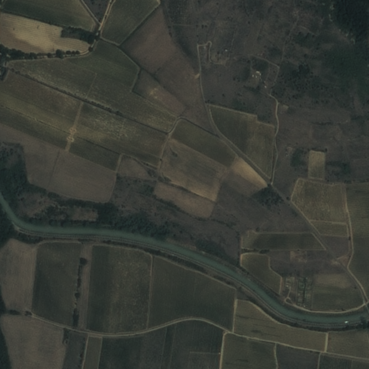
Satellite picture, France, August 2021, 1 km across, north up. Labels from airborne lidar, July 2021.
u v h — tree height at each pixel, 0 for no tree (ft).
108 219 29
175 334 0
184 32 0
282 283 0
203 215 0
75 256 0
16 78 0
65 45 0
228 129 0
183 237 0
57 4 0
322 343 0
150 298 0
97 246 0
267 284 0
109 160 0
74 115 0
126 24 0
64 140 0
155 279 0
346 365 0
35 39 0
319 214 0
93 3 40
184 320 0
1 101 0
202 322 0
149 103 0
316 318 0
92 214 0
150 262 0
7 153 34
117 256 0
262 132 0
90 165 0
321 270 0
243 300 0
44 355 0
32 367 0
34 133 0
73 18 0
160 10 0
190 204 0
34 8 0
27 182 32
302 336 0
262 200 21
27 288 0
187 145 0
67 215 25
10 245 0
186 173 0
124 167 0
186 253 0
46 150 0
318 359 0
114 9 0
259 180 0
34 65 0
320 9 25
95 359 0
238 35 0
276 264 0
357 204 0
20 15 0
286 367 0
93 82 0
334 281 0
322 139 0
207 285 0
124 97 0
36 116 0
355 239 0
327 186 0
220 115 0
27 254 0
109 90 0
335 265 0
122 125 0
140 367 0
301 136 0
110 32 0
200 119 0
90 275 0
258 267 0
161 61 0
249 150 0
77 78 0
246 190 0
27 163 0
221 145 0
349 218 0
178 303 0
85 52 0
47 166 0
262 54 0
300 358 0
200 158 0
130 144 0
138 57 0
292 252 0
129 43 0
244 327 0
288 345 0
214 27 0
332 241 0
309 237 0
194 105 0
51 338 0
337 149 0
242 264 0
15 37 0
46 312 0
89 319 0
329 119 0
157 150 0
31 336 0
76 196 0
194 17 0
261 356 0
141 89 0
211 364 0
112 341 0
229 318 0
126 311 0
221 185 0
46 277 0
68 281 0
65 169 0
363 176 0
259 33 0
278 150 0
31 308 0
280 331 0
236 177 0
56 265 0
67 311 0
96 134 0
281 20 0
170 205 28
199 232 0
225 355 0
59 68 0
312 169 0
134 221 33
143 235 74
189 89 0
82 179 0
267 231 0
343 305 0
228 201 0
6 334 0
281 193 0
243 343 0
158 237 68
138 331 0
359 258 0
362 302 0
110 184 0
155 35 0
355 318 0
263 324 0
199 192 0
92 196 0
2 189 57
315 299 0
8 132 0
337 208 0
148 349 0
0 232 33
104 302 0
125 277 0
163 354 0
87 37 21
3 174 54
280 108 0
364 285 0
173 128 0
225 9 0
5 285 0
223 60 0
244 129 0
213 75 0
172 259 37
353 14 76
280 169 0
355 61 18
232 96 0
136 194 0
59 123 0
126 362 0
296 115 0
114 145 0
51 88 0
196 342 0
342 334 0
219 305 0
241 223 0
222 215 0
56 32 0
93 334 0
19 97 0
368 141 0
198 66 0
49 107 0
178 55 0
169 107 0
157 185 0
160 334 0
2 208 35
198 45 0
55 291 0
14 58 35
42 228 0
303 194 0
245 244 0
